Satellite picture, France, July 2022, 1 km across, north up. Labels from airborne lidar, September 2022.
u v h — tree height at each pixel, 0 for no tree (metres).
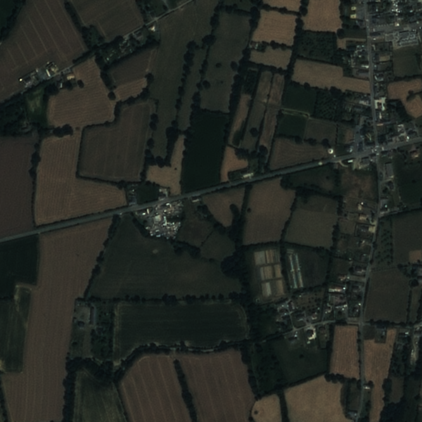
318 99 6
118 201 0
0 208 0
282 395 7
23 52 0
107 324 8
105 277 0
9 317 0
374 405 0
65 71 0
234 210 12
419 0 0
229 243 0
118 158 0
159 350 16
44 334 0
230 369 0
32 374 0
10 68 0
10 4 0
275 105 0
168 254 0
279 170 6
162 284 0
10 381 0
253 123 0
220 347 8
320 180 0
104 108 0
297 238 0
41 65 0
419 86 0
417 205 0
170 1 0
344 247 0
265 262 0
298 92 0
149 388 0
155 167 0
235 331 0
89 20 0
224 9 10
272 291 0
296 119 0
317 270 0
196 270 0
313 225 0
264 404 0
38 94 0
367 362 0
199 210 12
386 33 0
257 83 6
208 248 0
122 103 9
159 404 0
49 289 0
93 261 0
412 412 0
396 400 0
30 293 0
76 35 0
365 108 7
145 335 0
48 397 0
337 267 0
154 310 0
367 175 0
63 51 0
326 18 0
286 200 0
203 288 0
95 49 14
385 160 0
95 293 0
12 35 0
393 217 7
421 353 12
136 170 0
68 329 0
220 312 0
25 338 0
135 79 0
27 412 0
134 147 0
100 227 0
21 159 0
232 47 0
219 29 0
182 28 0
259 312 6
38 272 0
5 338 0
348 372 0
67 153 0
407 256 0
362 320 0
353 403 0
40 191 0
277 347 0
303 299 0
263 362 9
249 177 0
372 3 10
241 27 0
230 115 9
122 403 7
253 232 0
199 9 0
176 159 0
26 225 0
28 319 0
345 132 0
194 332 0
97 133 0
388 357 0
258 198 0
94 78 0
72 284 0
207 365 0
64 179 0
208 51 7
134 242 0
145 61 0
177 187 0
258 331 10
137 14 0
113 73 0
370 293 0
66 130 20
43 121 0
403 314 0
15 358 0
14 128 8
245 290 10
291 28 0
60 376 0
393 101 10
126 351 0
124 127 0
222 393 0
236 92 19
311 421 0
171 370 0
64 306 0
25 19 0
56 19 0
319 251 15
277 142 0
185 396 19
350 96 9
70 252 0
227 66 0
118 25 0
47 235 0
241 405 0
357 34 0
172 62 0
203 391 0
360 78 0
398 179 0
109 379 18
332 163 8
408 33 0
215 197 0
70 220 5
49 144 0
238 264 23
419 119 0
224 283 0
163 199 0
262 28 0
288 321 6
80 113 0
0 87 0
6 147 0
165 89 0
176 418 0
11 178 0
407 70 0
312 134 0
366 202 0
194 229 0
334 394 0
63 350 0
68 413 18
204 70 9
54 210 0
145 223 9
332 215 0
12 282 0
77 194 0
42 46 0
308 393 0
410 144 0
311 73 0
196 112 19
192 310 0
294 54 12
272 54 0
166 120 0
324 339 0
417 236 0
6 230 0
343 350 0
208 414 0
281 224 0
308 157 0
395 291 0
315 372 0
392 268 0
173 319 0
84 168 0
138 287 0
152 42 16
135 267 0
